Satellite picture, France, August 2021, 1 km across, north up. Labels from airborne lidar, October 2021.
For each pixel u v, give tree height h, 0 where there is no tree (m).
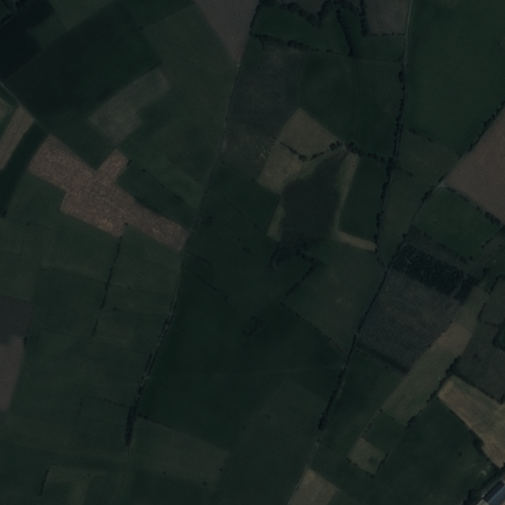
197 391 0
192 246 0
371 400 0
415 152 0
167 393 0
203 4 0
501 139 0
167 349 0
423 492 0
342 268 0
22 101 0
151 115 0
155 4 0
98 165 0
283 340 0
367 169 0
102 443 0
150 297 0
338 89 0
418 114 0
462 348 0
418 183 0
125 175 0
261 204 0
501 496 0
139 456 0
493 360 0
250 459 0
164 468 0
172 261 0
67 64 0
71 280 0
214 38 0
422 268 8
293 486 0
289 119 0
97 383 0
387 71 0
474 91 0
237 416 0
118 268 0
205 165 0
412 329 0
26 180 0
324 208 0
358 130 0
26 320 0
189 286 0
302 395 0
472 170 0
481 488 6
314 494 0
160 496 0
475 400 0
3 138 0
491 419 0
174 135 0
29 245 0
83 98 0
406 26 0
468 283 7
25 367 0
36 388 0
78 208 0
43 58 0
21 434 0
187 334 0
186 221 0
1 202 0
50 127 0
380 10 0
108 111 0
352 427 0
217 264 0
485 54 0
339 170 0
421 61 0
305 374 0
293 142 0
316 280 0
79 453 0
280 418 0
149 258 0
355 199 0
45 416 0
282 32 0
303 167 0
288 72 0
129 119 0
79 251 0
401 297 0
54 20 0
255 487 0
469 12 0
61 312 0
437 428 0
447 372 11
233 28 0
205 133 0
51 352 0
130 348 0
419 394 0
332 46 0
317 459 0
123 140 0
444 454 0
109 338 0
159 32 0
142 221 0
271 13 0
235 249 0
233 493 0
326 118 0
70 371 0
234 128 0
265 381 0
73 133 0
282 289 0
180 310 0
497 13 0
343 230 0
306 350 0
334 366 0
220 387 0
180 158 0
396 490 0
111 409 0
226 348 0
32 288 0
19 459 0
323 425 17
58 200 0
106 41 0
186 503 0
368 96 0
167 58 0
